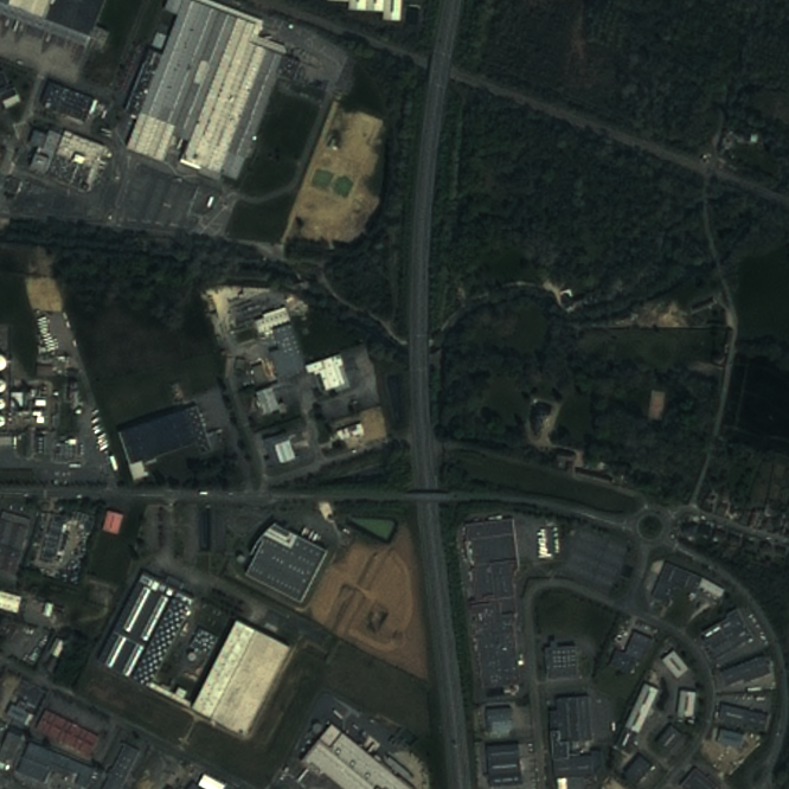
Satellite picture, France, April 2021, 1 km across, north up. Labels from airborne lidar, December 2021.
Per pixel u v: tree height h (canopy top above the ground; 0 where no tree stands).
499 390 0
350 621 0
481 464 0
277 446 0
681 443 22
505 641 0
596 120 9
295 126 0
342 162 0
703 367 0
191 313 0
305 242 6
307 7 8
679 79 19
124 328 0
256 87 0
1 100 0
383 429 0
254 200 0
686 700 0
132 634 0
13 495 0
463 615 7
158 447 0
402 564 0
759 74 22
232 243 11
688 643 0
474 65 18
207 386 0
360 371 0
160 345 0
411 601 0
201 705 0
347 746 0
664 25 21
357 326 11
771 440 0
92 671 0
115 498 0
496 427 20
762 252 17
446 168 11
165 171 0
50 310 0
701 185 12
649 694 0
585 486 0
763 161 0
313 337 0
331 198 0
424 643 0
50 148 0
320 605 0
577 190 27
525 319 0
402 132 17
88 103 0
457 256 24
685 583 0
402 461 0
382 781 0
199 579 0
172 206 0
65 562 0
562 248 15
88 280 14
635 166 28
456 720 0
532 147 21
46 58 0
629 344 0
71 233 15
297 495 0
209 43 0
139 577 0
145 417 0
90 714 13
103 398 0
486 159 10
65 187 0
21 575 9
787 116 0
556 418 0
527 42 8
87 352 0
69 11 0
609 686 0
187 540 0
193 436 0
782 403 0
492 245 17
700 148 20
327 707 0
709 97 29
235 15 0
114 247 17
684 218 21
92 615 0
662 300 0
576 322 13
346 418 0
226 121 0
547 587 0
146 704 0
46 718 0
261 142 0
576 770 0
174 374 0
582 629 0
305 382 0
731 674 0
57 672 7
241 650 0
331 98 0
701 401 16
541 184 20
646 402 0
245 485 0
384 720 0
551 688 0
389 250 7
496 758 0
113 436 0
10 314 0
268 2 0
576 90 6
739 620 0
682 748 0
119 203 0
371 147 0
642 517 0
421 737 0
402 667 0
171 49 0
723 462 12
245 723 0
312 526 0
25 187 0
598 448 22
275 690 0
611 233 9
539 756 0
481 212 11
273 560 0
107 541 0
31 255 0
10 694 0
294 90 0
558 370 27
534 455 17
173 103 0
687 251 20
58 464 0
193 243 12
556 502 0
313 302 8
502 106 18
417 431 0
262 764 0
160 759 0
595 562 0
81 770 0
